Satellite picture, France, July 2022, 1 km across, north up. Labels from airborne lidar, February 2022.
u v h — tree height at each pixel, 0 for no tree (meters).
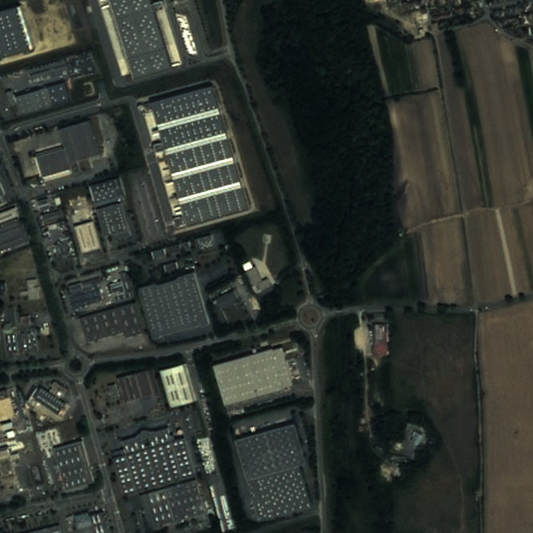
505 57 0
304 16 20
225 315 0
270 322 14
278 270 0
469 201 0
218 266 0
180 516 0
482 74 0
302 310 0
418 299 0
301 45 20
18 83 0
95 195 0
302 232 17
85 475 0
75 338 0
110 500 0
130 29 0
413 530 0
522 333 0
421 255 0
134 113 0
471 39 0
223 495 0
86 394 0
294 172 0
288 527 0
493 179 0
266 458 0
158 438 0
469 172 0
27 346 0
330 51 20
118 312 0
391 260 0
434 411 0
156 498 0
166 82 0
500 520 0
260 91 0
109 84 0
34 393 0
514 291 0
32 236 19
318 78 34
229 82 0
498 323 0
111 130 0
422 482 0
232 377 0
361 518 0
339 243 12
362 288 0
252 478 0
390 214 11
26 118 0
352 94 18
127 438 0
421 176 0
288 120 0
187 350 0
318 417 0
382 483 0
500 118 0
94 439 0
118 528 0
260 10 0
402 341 0
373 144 13
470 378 0
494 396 0
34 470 0
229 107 0
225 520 0
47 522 0
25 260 0
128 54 0
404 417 0
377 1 0
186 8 0
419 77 0
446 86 0
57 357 0
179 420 0
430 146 0
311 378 0
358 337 0
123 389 0
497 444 0
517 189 0
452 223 0
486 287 0
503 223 0
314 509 0
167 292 0
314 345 0
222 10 0
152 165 0
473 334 0
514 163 0
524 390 0
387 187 15
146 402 0
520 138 0
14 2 0
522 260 0
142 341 0
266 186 0
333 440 6
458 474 0
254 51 0
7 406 0
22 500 11
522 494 0
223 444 17
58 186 0
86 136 0
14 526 6
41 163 0
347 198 9
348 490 23
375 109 20
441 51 0
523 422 0
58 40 0
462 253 0
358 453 8
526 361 0
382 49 0
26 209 22
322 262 10
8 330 0
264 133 8
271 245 0
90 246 0
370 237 10
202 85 0
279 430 0
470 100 0
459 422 0
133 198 0
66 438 0
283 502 0
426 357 0
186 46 0
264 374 0
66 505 0
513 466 0
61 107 0
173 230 0
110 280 0
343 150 11
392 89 0
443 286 0
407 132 0
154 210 0
